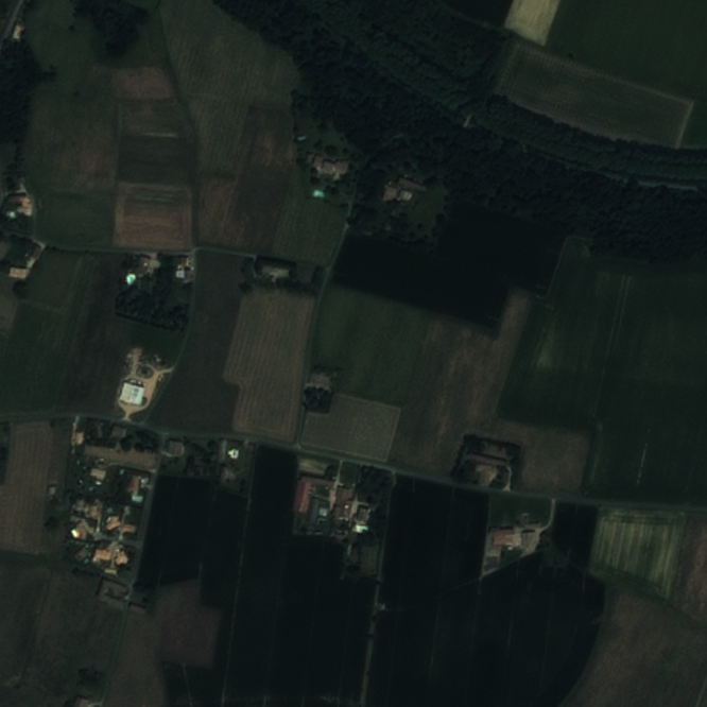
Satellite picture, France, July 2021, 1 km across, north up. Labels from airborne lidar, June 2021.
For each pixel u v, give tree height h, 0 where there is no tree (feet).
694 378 0
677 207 76
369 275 0
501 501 0
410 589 0
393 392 0
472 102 106
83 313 0
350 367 0
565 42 0
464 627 0
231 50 0
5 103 38
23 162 34
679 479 0
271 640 0
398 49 115
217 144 0
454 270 0
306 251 0
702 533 0
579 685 0
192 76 0
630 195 66
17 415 0
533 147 0
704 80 0
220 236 0
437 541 0
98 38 0
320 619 0
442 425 0
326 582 0
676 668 0
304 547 0
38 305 0
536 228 0
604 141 86
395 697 0
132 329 0
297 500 0
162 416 0
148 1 0
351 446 0
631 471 0
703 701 0
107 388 0
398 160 27
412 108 89
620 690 0
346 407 0
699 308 0
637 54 0
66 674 0
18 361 0
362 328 0
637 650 0
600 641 0
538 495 0
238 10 26
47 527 20
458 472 45
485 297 0
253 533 0
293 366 0
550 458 0
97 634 0
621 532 0
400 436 0
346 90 42
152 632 0
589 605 0
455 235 0
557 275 0
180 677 0
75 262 0
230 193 0
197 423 0
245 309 0
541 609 0
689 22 0
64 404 0
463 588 0
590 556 0
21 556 0
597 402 0
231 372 0
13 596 0
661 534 0
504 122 117
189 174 0
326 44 39
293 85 0
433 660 0
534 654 0
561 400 0
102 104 0
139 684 0
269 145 0
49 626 0
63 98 0
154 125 0
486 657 0
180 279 0
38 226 0
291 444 0
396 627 0
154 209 0
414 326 0
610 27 0
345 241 0
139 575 0
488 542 0
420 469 0
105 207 0
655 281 0
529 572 0
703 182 0
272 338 0
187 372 0
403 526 0
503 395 0
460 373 0
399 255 0
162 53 0
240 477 0
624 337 0
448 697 0
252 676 0
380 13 51
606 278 0
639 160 109
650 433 0
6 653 0
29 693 0
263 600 0
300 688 0
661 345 0
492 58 48
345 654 0
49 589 0
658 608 0
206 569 0
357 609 0
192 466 26
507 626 0
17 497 0
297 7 81
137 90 0
